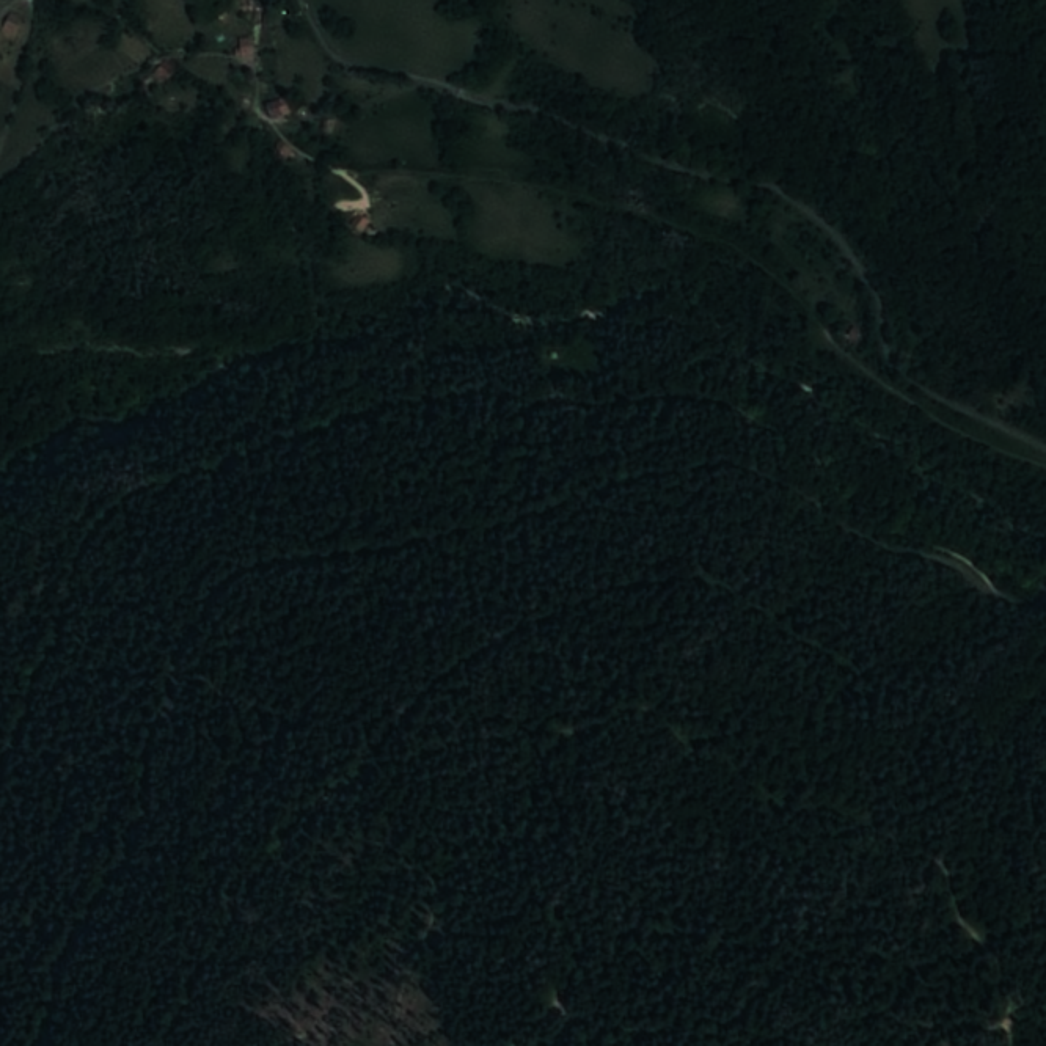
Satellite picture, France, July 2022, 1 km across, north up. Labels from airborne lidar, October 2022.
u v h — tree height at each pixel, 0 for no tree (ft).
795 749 80
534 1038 107
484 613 73
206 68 0
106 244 68
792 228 22
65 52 0
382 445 95
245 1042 82
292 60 0
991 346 21
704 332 91
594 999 114
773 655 90
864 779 105
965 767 101
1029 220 108
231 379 78
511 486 102
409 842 81
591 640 85
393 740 67
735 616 93
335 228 64
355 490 106
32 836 85
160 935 79
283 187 72
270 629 84
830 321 59
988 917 68
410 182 0
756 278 73
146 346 55
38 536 54
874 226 89
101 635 34
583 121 83
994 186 94
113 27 62
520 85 36
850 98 21
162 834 93
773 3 91
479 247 0
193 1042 61
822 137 87
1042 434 41
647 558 77
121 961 95
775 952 90
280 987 89
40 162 32
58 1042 99
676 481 94
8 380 59
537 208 0
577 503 88
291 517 131
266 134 25
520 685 73
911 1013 109
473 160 0
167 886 95
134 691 48
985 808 73
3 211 47
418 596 89
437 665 108
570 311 34
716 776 77
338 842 44
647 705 21
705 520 81
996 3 88
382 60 0
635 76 0
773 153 87
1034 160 105
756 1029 73
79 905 86
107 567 90
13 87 0
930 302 65
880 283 78
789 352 77
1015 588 35
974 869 68
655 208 100
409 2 0
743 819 63
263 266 41
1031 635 89
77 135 39
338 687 99
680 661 49
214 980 75
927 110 71
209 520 63
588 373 0
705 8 59
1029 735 88
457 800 64
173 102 0
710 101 26
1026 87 101
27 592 92
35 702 88
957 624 76
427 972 73
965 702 112
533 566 91
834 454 88
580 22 0
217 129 89
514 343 68
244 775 23
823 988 40
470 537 99
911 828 86
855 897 70
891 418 74
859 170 104
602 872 71
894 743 92
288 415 65
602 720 93
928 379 55
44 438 65
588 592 69
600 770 68
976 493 52
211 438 110
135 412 48
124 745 103
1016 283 112
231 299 41
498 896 108
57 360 48
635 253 74
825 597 96
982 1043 102
